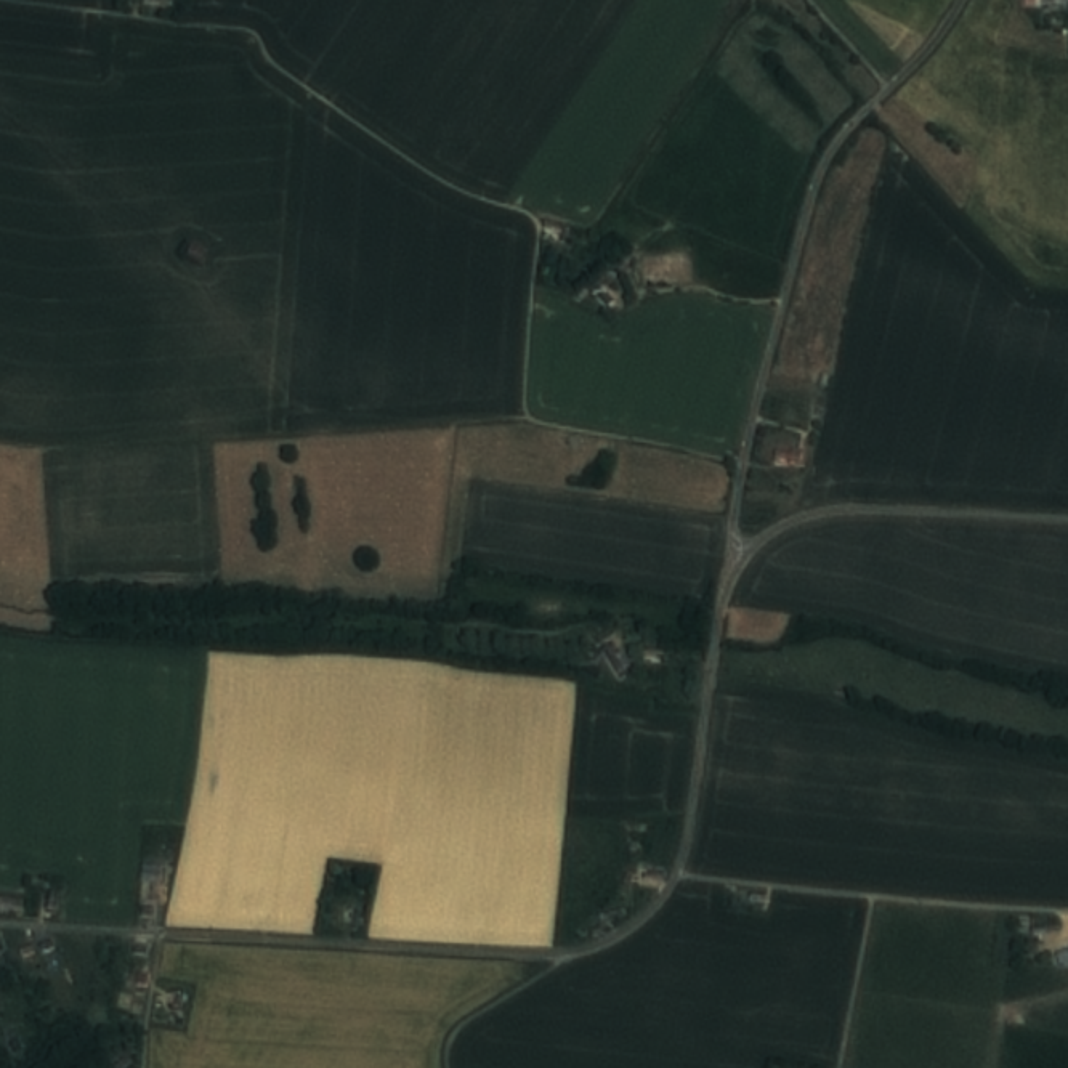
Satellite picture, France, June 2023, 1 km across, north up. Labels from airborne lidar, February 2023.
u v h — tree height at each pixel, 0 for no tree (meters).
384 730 0
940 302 0
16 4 0
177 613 23
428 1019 0
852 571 0
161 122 0
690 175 0
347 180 0
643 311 0
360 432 0
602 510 0
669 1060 0
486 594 0
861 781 0
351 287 0
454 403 0
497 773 0
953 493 0
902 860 0
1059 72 0
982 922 0
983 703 0
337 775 0
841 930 0
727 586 0
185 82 0
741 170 0
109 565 0
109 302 0
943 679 0
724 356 0
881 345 0
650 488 0
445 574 0
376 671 0
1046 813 0
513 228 0
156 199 0
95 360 0
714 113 0
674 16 0
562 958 0
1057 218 0
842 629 7
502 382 0
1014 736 16
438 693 0
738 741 0
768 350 0
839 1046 0
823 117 0
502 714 0
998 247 0
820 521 0
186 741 0
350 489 0
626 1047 0
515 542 0
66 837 0
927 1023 0
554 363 0
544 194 0
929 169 0
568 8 0
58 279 0
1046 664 0
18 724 0
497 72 0
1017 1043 0
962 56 0
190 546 0
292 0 0
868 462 0
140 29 0
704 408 0
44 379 0
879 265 0
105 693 0
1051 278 0
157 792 0
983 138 0
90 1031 13
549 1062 0
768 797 0
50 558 0
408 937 0
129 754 0
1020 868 0
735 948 0
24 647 0
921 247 0
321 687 0
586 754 0
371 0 0
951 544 0
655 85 0
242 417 0
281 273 0
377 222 0
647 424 0
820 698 0
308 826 0
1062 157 0
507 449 0
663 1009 0
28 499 0
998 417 0
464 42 0
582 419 0
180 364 0
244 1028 0
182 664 0
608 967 0
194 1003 0
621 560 0
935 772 0
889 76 0
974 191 0
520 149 0
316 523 0
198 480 0
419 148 0
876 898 0
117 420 0
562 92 0
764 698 0
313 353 0
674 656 6
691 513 0
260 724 0
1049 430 0
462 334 0
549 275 12
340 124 0
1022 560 0
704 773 0
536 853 0
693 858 0
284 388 0
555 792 0
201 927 0
